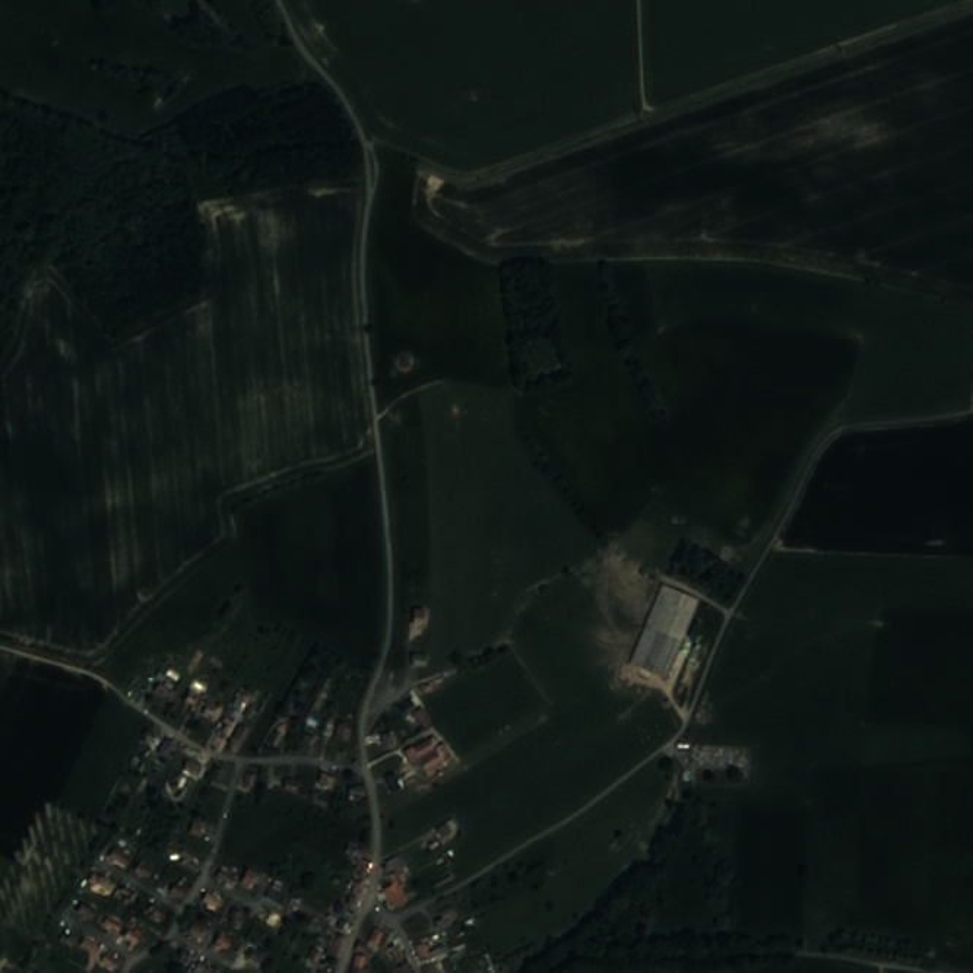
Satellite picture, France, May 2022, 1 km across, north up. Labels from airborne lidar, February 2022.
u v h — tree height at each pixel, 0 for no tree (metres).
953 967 0
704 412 0
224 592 0
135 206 20
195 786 0
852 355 0
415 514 0
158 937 0
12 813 0
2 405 0
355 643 0
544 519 0
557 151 0
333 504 0
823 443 0
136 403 0
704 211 0
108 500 0
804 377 0
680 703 0
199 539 0
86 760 0
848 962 0
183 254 22
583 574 0
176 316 0
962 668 0
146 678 0
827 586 0
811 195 0
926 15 0
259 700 0
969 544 0
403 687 0
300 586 0
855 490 0
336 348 0
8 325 19
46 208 13
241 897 0
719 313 0
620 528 0
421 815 0
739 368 0
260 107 31
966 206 0
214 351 0
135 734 0
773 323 0
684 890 0
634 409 0
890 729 0
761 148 0
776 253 0
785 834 0
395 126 0
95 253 24
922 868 0
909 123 0
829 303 0
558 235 0
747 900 0
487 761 0
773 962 6
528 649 0
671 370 0
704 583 8
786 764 0
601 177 0
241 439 0
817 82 0
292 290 0
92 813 0
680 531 0
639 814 0
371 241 0
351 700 0
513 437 0
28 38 0
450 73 0
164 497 0
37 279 0
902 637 0
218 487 0
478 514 0
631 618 0
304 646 0
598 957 18
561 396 0
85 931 0
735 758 0
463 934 6
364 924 0
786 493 0
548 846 0
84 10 0
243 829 0
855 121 0
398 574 0
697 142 0
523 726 0
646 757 0
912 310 0
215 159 23
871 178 0
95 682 0
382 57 0
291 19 0
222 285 0
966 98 0
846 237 0
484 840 0
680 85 0
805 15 0
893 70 0
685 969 15
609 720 0
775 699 0
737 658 0
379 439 0
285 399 0
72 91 0
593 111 0
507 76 0
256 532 0
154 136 14
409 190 0
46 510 0
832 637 0
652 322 0
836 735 0
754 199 0
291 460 0
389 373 0
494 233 0
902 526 0
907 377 0
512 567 0
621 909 19
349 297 0
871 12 0
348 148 19
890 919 0
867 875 0
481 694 0
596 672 0
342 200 0
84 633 0
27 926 0
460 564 0
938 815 0
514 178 0
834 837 0
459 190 0
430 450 0
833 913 0
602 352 0
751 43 0
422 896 0
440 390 0
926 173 0
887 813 0
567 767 0
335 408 0
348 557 0
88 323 0
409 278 0
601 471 0
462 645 0
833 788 0
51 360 0
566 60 0
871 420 0
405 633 0
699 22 0
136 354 0
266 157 23
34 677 0
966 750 0
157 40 0
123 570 0
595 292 0
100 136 18
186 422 0
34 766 0
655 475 0
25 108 15
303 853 0
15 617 0
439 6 0
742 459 0
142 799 0
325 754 0
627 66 0
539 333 16
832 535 0
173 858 0
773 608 0
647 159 0
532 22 0
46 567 0
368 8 0
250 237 0
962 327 0
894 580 0
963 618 0
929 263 0
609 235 0
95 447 0
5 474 0
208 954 0
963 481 0
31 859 0
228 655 0
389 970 0
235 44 14
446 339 0
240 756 0
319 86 10
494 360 0
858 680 0
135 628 0
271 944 10
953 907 0
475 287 0
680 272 0
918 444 0
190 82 0
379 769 0
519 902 0
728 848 0
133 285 21
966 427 0
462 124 0
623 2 0
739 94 0
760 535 0
